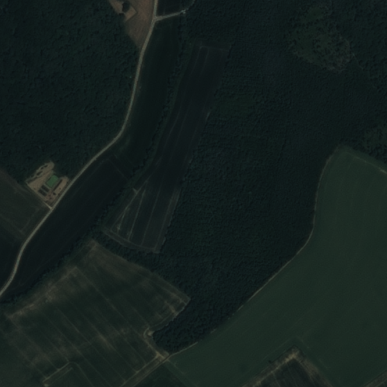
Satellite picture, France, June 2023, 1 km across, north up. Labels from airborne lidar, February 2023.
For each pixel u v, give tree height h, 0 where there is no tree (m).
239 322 0
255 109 12
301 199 17
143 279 0
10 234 0
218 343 0
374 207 0
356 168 0
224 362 0
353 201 0
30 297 0
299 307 0
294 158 14
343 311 0
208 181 15
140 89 0
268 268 12
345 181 0
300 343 0
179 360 0
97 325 0
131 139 0
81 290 0
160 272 16
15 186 0
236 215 15
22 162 24
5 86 29
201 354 0
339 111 13
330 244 0
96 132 22
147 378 0
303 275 0
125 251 10
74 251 12
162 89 0
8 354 0
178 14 0
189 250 7
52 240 0
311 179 15
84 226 0
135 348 0
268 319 0
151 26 0
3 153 21
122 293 0
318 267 0
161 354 0
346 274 0
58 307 0
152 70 0
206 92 0
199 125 0
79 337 0
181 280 21
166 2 0
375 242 0
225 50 0
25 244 0
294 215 16
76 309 0
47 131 25
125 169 0
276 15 13
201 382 0
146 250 0
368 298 0
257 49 15
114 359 0
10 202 0
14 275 0
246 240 11
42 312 0
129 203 0
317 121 15
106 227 0
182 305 0
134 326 0
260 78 11
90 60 25
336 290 0
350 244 0
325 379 0
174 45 0
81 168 18
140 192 0
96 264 0
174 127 0
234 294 16
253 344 0
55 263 0
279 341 0
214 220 7
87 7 24
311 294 0
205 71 0
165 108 15
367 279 0
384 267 0
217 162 17
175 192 0
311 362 0
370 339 0
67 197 0
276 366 0
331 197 0
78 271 0
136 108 0
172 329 19
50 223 0
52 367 0
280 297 0
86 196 0
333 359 0
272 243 9
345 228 0
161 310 0
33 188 0
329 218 0
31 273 0
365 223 0
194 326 15
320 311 0
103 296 0
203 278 21
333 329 0
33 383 0
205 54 0
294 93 12
